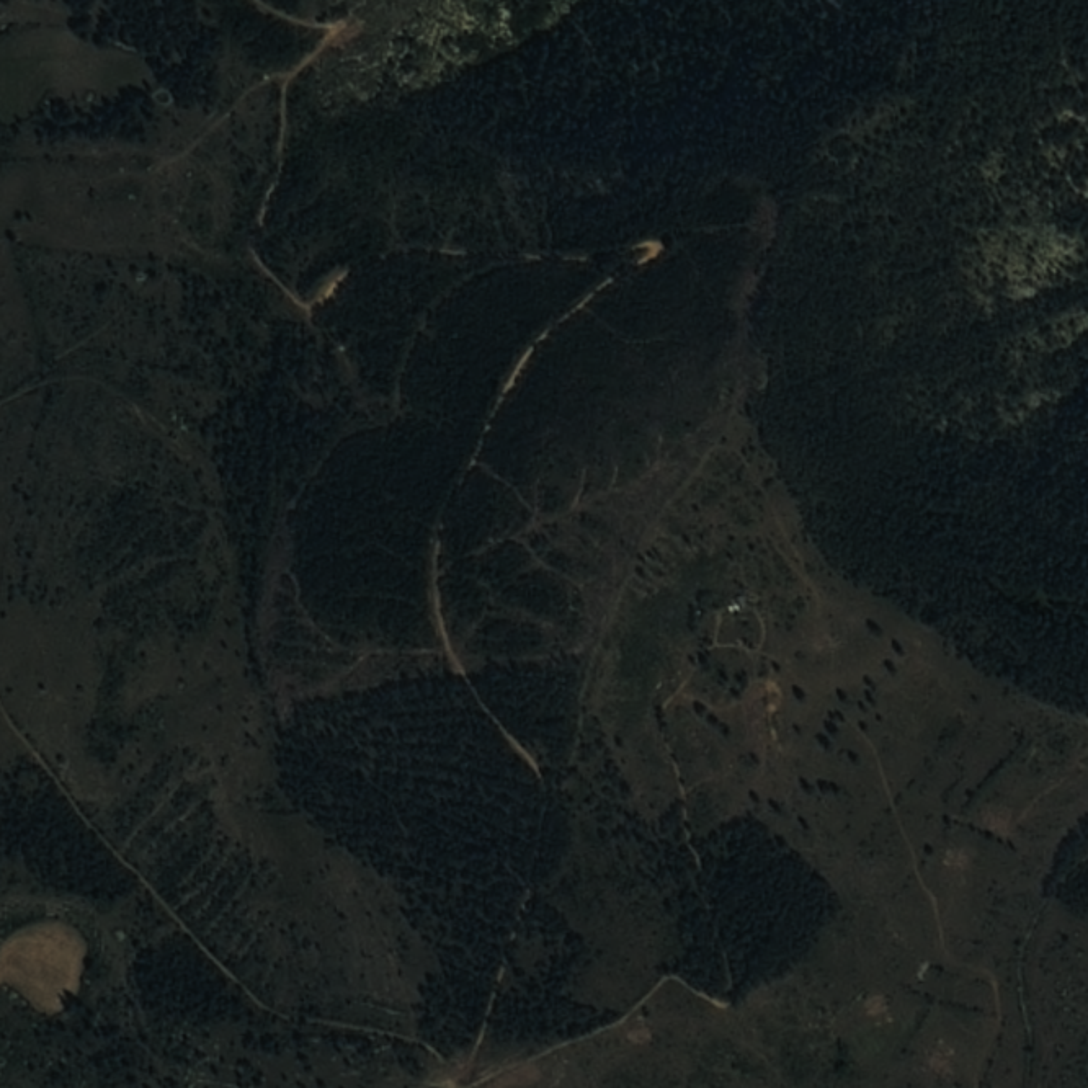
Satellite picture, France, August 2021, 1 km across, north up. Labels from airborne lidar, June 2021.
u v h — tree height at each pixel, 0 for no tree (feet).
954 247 48
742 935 41
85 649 0
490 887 27
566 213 44
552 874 24
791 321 66
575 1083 0
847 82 29
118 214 0
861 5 34
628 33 42
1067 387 46
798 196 37
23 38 0
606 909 0
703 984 34
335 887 0
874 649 0
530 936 19
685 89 29
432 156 23
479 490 18
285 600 20
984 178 33
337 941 0
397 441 22
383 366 32
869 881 0
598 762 0
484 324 18
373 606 21
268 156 34
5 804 21
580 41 47
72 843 24
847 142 32
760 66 20
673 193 49
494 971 33
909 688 0
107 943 0
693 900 38
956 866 0
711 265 18
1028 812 0
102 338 0
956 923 0
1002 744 0
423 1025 19
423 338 20
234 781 0
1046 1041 0
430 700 57
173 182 0
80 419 0
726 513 0
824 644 0
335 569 20
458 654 0
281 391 52
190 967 23
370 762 41
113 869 28
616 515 0
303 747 46
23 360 0
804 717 0
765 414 70
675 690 0
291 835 0
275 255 42
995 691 0
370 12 0
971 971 0
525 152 53
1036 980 0
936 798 0
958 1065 0
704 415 0
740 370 0
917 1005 0
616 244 38
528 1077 0
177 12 49
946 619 54
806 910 47
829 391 48
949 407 41
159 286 0
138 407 0
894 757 0
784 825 0
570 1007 35
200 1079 0
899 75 30
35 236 0
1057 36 69
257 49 21
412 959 0
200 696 0
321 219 18
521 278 28
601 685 0
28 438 0
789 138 37
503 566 18
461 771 38
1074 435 46
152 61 27
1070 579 73
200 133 0
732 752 0
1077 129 78
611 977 0
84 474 0
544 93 49
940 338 33
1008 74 66
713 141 55
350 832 30
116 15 41
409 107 47
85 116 46
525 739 34
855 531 85
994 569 75
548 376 18
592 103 25
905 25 37
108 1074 18
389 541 22
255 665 43
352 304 20
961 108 67
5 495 0
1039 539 64
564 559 21
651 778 0
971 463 33
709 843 30
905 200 70
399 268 42
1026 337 28
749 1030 0
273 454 72
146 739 0
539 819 46
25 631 0
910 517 73
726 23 26
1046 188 42
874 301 37
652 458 0
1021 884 0
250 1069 26
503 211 23
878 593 27
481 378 20
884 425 33
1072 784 0
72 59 0
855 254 68
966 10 78
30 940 0
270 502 68
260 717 0
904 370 40
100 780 0
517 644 19
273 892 0
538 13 36
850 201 33
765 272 39
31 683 0
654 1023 0
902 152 58
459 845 33
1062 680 60
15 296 0
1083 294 36
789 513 0
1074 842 43
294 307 0
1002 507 40
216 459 18
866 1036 0
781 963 38
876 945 0
